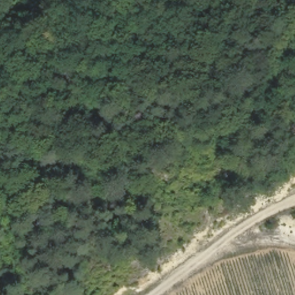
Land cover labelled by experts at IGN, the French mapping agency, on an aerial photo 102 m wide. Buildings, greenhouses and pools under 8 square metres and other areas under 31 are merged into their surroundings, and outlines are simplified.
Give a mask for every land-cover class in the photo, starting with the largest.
<instances>
[{"label":"deciduous trees","instance_id":"1","mask_svg":"<svg viewBox=\"0 0 295 295\"><path fill-rule=\"evenodd\" d=\"M243 66L251 70V80L254 84L248 86L242 96L230 93L229 97L213 106L199 108L198 111L192 107V101H195L199 92L226 90L227 86L222 81L229 75L239 73V68ZM166 91L174 92L181 104L174 107L154 101L156 92L164 94ZM113 99L122 109L107 121L94 107L98 103L111 104ZM52 106L60 108L61 121L45 124L36 119L40 112H48ZM277 106L285 109L281 115L285 123L273 136L285 137L286 141L274 151L277 153V156H274V168L270 172L262 169L258 171L255 166L240 164L239 158L230 156L233 153L230 150L232 146L239 144L240 134L236 130L248 128L250 123L258 126L263 123L260 120L262 115L266 112L271 113ZM84 143L86 147L85 157L78 165H66L56 161L54 164L38 167L37 172L10 171L5 174L0 171V227L8 224L9 214L20 217L24 212L36 213L38 207L46 202L54 203L56 199L66 201L68 191L63 180L68 174L76 176L75 184H84L85 175L80 165L88 166L91 172L97 174L98 169H108L121 162L128 164L135 160L144 164L149 159L150 147L160 150L165 145H172L177 154L169 165L158 173L145 175L130 182L128 189L131 194L136 195H145L149 192V201L153 203L154 210L161 212L160 229L154 239V245H161L169 256L158 258L153 272H160L162 265L169 262L174 252L186 250L184 244H189L194 239V234L202 232L206 225L213 224L214 229L224 226L225 222L217 221V218L212 217L210 212L214 207H218L219 190L226 192V189L235 186L237 191H255L258 196H273L290 177L295 176V0H0V150L2 147L14 146L18 152L25 153V158L35 160L45 152L52 151L59 160L63 154L70 152L71 145ZM112 270L116 274H122V279L105 275L101 280H106V285L96 295H114L120 287H137L139 280L146 278L151 272L147 265H142L137 259L121 258L118 263H113Z\"/></svg>","mask_w":295,"mask_h":295},{"label":"coniferous trees","instance_id":"2","mask_svg":"<svg viewBox=\"0 0 295 295\"><path fill-rule=\"evenodd\" d=\"M251 70L243 66L239 68V73L229 75L222 81L227 86L226 90L199 92L195 101H192V107L198 111L199 108L213 106L229 97L230 93L242 96L248 86L254 84L251 80ZM154 101L174 107L181 104L174 92L166 91L164 94L156 92ZM107 121L122 109L113 99L111 104L98 103L94 107ZM60 108L52 106L48 112H40L36 119L45 124L61 121ZM285 109L277 106L271 113L266 112L262 115L260 120L263 123L258 126L250 123L248 128L236 130L240 134L239 144L232 146L230 150L233 153L230 156L239 158L240 164L255 166L258 171L262 169L270 172L274 168V156H277V153L274 151L286 141L285 137L273 136L285 123L281 115ZM86 147L84 143L71 145L70 152L63 154L59 160L52 151L45 152L35 160L25 158V153L18 152L14 146L2 147L0 150V171L5 174L10 171L37 172L38 167L54 164L56 161L66 165H78L85 157ZM149 159L144 164L135 160L128 164L121 162L108 169H98L97 174L91 172L88 166L80 165L85 175L84 184H75L76 176L68 174L63 180L68 191L66 201L56 199L54 203L46 202L38 207L36 213L24 212L20 217L9 214L8 224L0 227V295H96L106 285V280H101L105 275L122 279V274H116L112 270L113 263H118L121 258L137 259L142 265H147L151 272H153L158 258L169 256L161 245H154V239L160 229L161 212L154 210L153 203L149 201V192L145 195H136L131 194L128 189L130 182L145 175L158 173L169 165L177 154L172 145H165L160 150L150 147ZM258 196L255 191H237L235 186L226 189V192L219 190L218 207H214L210 212L212 217L217 218L224 217L229 212L237 217L241 213L249 212Z\"/></svg>","mask_w":295,"mask_h":295},{"label":"vineyard","instance_id":"3","mask_svg":"<svg viewBox=\"0 0 295 295\"><path fill-rule=\"evenodd\" d=\"M263 250L227 259L222 255L196 268L161 295H295V244H263Z\"/></svg>","mask_w":295,"mask_h":295},{"label":"herbaceous vegetation","instance_id":"4","mask_svg":"<svg viewBox=\"0 0 295 295\"><path fill-rule=\"evenodd\" d=\"M295 195V176L290 177L273 196H258L249 212L241 213L237 217L229 212L224 217L217 218V221L225 222L224 226L214 229L213 224L206 225L202 232L194 234V239L189 244H184L186 250L174 252L169 262L162 265L160 272H151L146 278L139 280L137 287H120L114 295H146L186 265L190 259L219 241L229 230L240 226L252 215ZM295 244V236L280 232L277 228H266L264 220L237 235L225 248L227 252L222 255L227 259L263 250V244Z\"/></svg>","mask_w":295,"mask_h":295},{"label":"pervious surface","instance_id":"5","mask_svg":"<svg viewBox=\"0 0 295 295\"><path fill-rule=\"evenodd\" d=\"M295 206V195L252 215L240 226L229 230L219 241L190 259L186 265L146 295H161L196 268L222 255L227 252L225 248L237 235L264 220L274 213Z\"/></svg>","mask_w":295,"mask_h":295},{"label":"brushwood","instance_id":"6","mask_svg":"<svg viewBox=\"0 0 295 295\"><path fill-rule=\"evenodd\" d=\"M285 215L295 219V206L274 213L264 220L266 228H277L279 220Z\"/></svg>","mask_w":295,"mask_h":295},{"label":"bare soil","instance_id":"7","mask_svg":"<svg viewBox=\"0 0 295 295\"><path fill-rule=\"evenodd\" d=\"M277 228L280 232L295 236V219L285 215L279 220Z\"/></svg>","mask_w":295,"mask_h":295}]
</instances>
